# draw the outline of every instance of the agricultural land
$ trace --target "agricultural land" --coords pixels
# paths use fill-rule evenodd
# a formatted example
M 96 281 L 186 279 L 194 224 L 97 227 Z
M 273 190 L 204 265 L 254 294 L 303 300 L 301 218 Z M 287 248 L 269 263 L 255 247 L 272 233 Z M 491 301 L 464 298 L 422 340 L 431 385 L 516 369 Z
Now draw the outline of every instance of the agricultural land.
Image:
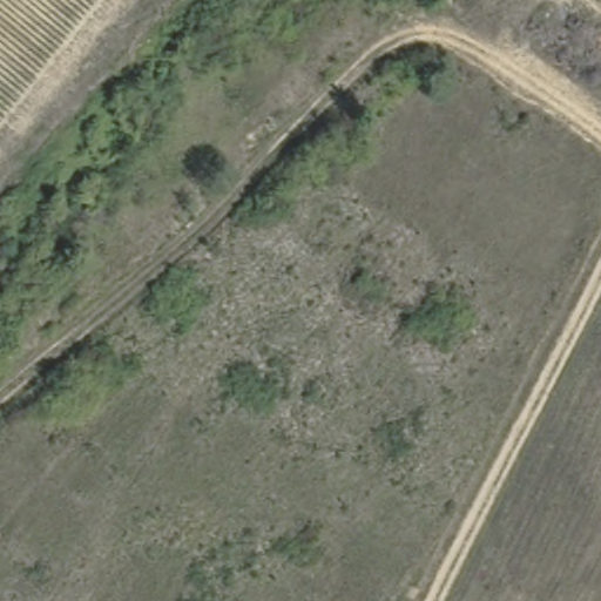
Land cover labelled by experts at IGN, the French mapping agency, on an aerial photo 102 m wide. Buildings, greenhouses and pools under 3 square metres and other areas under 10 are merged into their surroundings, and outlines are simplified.
M 601 601 L 601 298 L 578 345 L 573 347 L 540 418 L 535 420 L 531 437 L 526 439 L 505 486 L 500 488 L 446 601 Z

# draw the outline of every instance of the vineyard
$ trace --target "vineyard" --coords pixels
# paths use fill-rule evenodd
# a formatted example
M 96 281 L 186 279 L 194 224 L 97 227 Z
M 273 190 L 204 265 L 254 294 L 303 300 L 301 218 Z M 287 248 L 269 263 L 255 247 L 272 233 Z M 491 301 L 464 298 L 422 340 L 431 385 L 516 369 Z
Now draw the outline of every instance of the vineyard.
M 77 73 L 77 61 L 85 54 L 89 54 L 89 49 L 96 45 L 96 38 L 117 19 L 120 9 L 134 7 L 136 0 L 0 0 L 0 190 L 23 167 L 12 157 L 12 153 L 21 148 L 23 134 L 35 124 L 42 108 L 56 94 L 56 89 Z

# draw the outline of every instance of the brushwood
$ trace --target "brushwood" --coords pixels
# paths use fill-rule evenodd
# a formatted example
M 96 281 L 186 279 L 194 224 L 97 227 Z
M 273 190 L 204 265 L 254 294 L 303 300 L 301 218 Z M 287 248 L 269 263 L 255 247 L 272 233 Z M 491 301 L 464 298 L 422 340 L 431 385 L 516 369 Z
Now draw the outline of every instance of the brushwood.
M 472 312 L 472 303 L 467 298 L 455 301 L 455 296 L 437 293 L 439 310 L 432 317 L 408 322 L 408 329 L 401 329 L 397 324 L 397 329 L 390 336 L 394 347 L 430 343 L 439 352 L 453 354 L 455 345 L 472 343 L 472 329 L 479 322 Z
M 45 394 L 38 404 L 33 404 L 14 420 L 47 418 L 49 427 L 75 430 L 92 423 L 101 413 L 110 394 L 124 392 L 129 383 L 141 378 L 141 357 L 136 352 L 117 354 L 110 347 L 110 343 L 106 343 L 103 347 L 92 347 L 82 352 L 82 357 L 70 359 L 68 376 L 54 385 L 49 394 Z
M 251 59 L 256 56 L 256 47 L 263 42 L 270 52 L 279 47 L 282 52 L 296 52 L 305 45 L 305 38 L 324 33 L 329 26 L 343 28 L 350 12 L 371 16 L 371 7 L 376 2 L 399 5 L 404 0 L 176 0 L 176 14 L 167 21 L 160 21 L 150 31 L 148 40 L 141 45 L 146 54 L 143 61 L 148 63 L 141 80 L 134 87 L 117 87 L 113 101 L 106 101 L 103 89 L 99 87 L 87 101 L 87 106 L 70 117 L 70 124 L 61 129 L 59 146 L 47 148 L 40 157 L 33 155 L 23 167 L 0 190 L 0 359 L 19 347 L 21 324 L 26 322 L 26 317 L 33 317 L 40 310 L 45 310 L 45 305 L 49 303 L 49 293 L 56 293 L 61 298 L 59 310 L 68 310 L 77 303 L 80 284 L 75 277 L 75 223 L 87 223 L 87 207 L 94 200 L 101 202 L 106 216 L 115 216 L 120 211 L 120 202 L 131 193 L 134 178 L 148 164 L 153 164 L 157 157 L 167 153 L 162 134 L 171 127 L 178 108 L 185 101 L 176 75 L 178 68 L 188 66 L 190 73 L 200 80 L 209 73 L 214 63 L 228 70 L 242 68 L 251 63 Z
M 174 268 L 174 263 L 169 261 L 164 263 L 157 277 L 146 282 L 139 310 L 146 317 L 153 317 L 160 326 L 174 324 L 174 336 L 183 336 L 195 329 L 197 317 L 211 303 L 214 286 L 200 289 L 195 261 L 181 261 L 178 268 Z
M 347 117 L 345 122 L 324 131 L 315 143 L 305 143 L 308 157 L 305 162 L 291 164 L 289 183 L 282 183 L 268 197 L 244 200 L 239 211 L 230 216 L 230 225 L 275 228 L 277 223 L 284 223 L 293 214 L 296 202 L 310 188 L 319 190 L 319 185 L 340 185 L 345 178 L 357 174 L 357 164 L 362 164 L 369 157 L 369 146 L 378 150 L 376 127 L 387 122 L 390 110 L 418 89 L 418 77 L 399 80 L 399 75 L 392 70 L 378 75 L 369 68 L 347 87 L 347 92 L 354 94 L 354 99 L 359 101 L 359 106 L 364 106 L 362 117 Z

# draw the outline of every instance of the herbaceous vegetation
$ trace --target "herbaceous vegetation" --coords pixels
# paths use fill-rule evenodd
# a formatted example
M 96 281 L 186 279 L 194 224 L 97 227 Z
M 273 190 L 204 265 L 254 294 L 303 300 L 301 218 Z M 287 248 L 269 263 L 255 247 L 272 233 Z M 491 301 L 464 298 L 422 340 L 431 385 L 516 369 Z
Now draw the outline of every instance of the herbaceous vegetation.
M 117 87 L 134 87 L 141 80 L 148 63 L 143 61 L 146 54 L 141 45 L 148 40 L 150 31 L 160 21 L 167 21 L 176 14 L 176 0 L 136 0 L 134 7 L 120 9 L 117 19 L 96 38 L 96 45 L 89 49 L 89 54 L 85 54 L 77 61 L 77 73 L 56 89 L 56 94 L 42 108 L 35 124 L 23 134 L 21 148 L 12 153 L 12 157 L 23 167 L 33 155 L 40 157 L 47 148 L 59 146 L 61 129 L 70 124 L 70 117 L 87 106 L 87 101 L 99 87 L 103 89 L 106 101 L 113 101 Z
M 242 68 L 228 70 L 214 63 L 209 73 L 200 80 L 190 73 L 188 66 L 178 68 L 176 75 L 185 101 L 178 108 L 171 127 L 162 134 L 167 153 L 157 157 L 153 164 L 148 164 L 134 178 L 131 193 L 120 202 L 120 211 L 115 216 L 106 216 L 101 202 L 94 200 L 87 207 L 87 223 L 75 223 L 75 277 L 80 284 L 77 303 L 68 310 L 59 310 L 61 298 L 56 293 L 49 293 L 49 303 L 45 305 L 45 310 L 40 310 L 33 317 L 26 317 L 26 322 L 21 324 L 19 347 L 0 359 L 0 601 L 425 601 L 444 556 L 448 554 L 481 484 L 486 481 L 488 470 L 493 467 L 533 385 L 538 383 L 542 366 L 547 364 L 570 312 L 575 310 L 596 268 L 596 261 L 601 258 L 601 150 L 596 143 L 587 143 L 578 134 L 573 134 L 568 129 L 566 117 L 547 115 L 542 108 L 524 106 L 493 80 L 491 73 L 472 68 L 455 52 L 444 49 L 434 42 L 406 45 L 394 28 L 448 19 L 455 28 L 462 28 L 486 42 L 493 42 L 502 28 L 507 28 L 516 47 L 528 45 L 531 54 L 552 66 L 559 75 L 580 85 L 594 101 L 596 110 L 601 110 L 601 0 L 404 0 L 399 5 L 376 2 L 371 7 L 371 16 L 350 12 L 343 28 L 329 26 L 324 33 L 305 38 L 305 45 L 296 52 L 282 52 L 279 47 L 270 52 L 263 42 L 256 47 L 256 56 L 251 59 L 251 63 Z M 319 185 L 319 190 L 310 188 L 296 202 L 293 214 L 284 223 L 277 223 L 275 228 L 230 225 L 230 216 L 239 211 L 244 200 L 268 197 L 282 183 L 289 183 L 291 164 L 305 162 L 308 157 L 305 143 L 315 143 L 324 131 L 345 122 L 347 117 L 362 117 L 364 106 L 359 106 L 359 101 L 354 99 L 354 94 L 347 92 L 347 87 L 369 68 L 378 75 L 392 70 L 399 75 L 399 80 L 418 77 L 418 89 L 390 110 L 387 122 L 376 127 L 378 150 L 369 146 L 369 157 L 362 164 L 357 164 L 357 174 L 345 178 L 340 185 Z M 174 268 L 178 268 L 181 261 L 195 261 L 200 289 L 214 286 L 211 303 L 197 317 L 195 329 L 183 336 L 174 336 L 174 324 L 160 326 L 153 317 L 146 317 L 139 310 L 146 282 L 157 277 L 164 263 L 169 261 L 174 263 Z M 453 354 L 439 352 L 430 343 L 394 347 L 390 336 L 397 329 L 397 324 L 401 329 L 408 329 L 408 322 L 432 317 L 439 310 L 437 293 L 455 296 L 455 301 L 467 298 L 472 303 L 472 312 L 479 322 L 472 329 L 472 343 L 455 345 Z M 49 394 L 54 385 L 68 376 L 70 359 L 82 357 L 82 352 L 92 347 L 103 347 L 106 343 L 110 343 L 110 347 L 117 354 L 136 352 L 141 357 L 141 378 L 129 383 L 124 392 L 110 394 L 101 413 L 92 423 L 75 430 L 49 427 L 47 418 L 14 420 L 33 404 L 38 404 L 45 394 Z

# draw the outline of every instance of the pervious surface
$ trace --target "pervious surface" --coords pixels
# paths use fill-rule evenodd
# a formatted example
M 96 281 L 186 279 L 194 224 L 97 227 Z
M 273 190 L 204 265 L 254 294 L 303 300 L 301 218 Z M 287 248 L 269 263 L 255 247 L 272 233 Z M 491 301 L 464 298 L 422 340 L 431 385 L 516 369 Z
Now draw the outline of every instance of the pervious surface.
M 573 347 L 578 345 L 601 298 L 601 258 L 596 261 L 596 268 L 575 310 L 570 312 L 547 364 L 542 366 L 538 383 L 533 385 L 493 467 L 488 470 L 486 481 L 481 484 L 448 554 L 444 556 L 425 601 L 446 601 L 500 488 L 505 486 L 526 439 L 531 437 L 535 420 L 540 418 Z
M 528 45 L 516 47 L 507 28 L 502 28 L 493 42 L 486 42 L 462 28 L 455 28 L 448 19 L 394 28 L 406 45 L 434 42 L 444 49 L 455 52 L 472 68 L 491 73 L 493 80 L 524 106 L 542 108 L 547 115 L 566 117 L 568 129 L 573 134 L 578 134 L 587 143 L 596 143 L 601 150 L 601 110 L 596 110 L 594 101 L 580 85 L 559 75 L 552 66 L 531 54 Z

